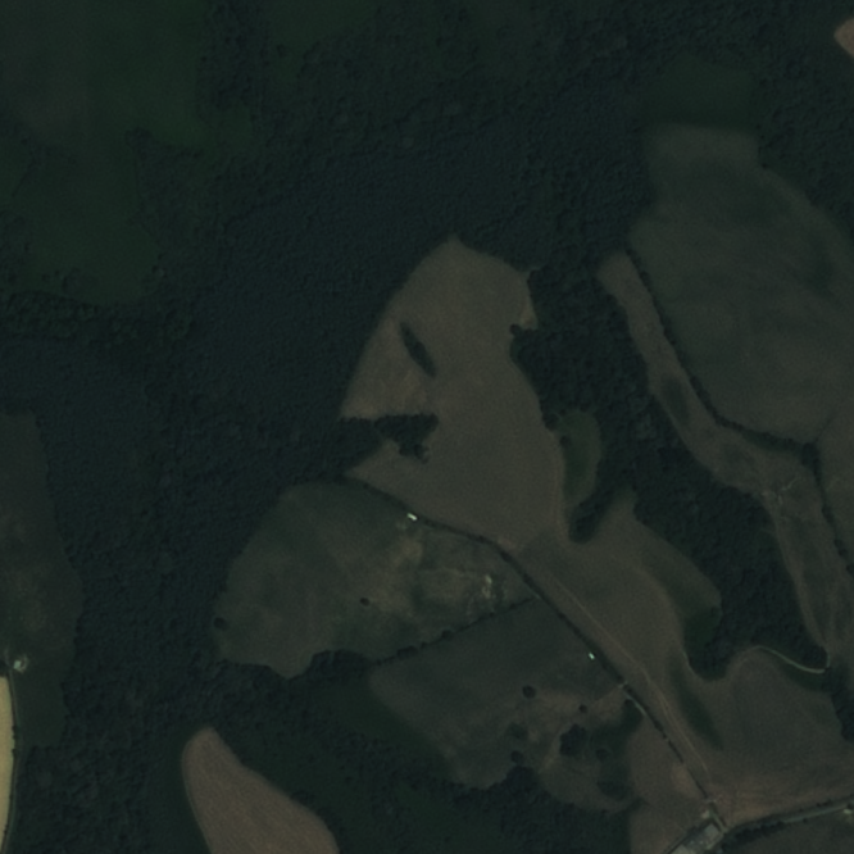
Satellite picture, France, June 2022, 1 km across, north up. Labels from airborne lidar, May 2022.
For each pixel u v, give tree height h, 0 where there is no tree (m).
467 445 0
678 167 0
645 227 0
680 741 0
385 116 8
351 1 0
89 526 18
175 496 22
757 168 0
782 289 0
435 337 0
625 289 0
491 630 0
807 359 0
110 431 21
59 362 20
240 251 16
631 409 16
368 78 9
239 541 11
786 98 6
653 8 18
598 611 0
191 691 18
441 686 0
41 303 14
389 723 0
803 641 11
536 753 0
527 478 0
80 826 16
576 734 18
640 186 11
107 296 0
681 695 0
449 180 16
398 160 15
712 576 12
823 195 6
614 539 0
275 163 8
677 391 0
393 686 0
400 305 0
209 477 14
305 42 0
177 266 7
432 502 0
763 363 0
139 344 20
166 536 10
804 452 8
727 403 0
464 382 0
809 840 0
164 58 0
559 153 12
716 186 0
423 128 10
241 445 15
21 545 0
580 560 0
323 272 18
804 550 0
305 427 18
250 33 7
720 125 0
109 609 17
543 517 0
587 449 0
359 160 16
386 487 0
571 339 21
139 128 6
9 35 0
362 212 16
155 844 6
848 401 0
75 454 20
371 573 0
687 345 0
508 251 12
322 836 0
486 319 0
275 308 15
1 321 21
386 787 13
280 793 0
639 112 0
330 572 0
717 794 0
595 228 15
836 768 0
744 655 0
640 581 0
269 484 15
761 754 0
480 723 0
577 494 0
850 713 7
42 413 12
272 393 19
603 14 8
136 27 0
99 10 0
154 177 9
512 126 21
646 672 0
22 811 7
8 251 6
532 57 7
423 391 0
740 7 17
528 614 0
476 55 8
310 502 0
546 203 9
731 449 0
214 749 0
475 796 14
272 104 10
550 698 0
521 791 19
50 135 0
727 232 0
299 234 16
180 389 9
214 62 7
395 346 0
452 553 0
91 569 17
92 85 0
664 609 0
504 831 8
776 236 0
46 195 0
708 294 0
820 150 10
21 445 0
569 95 18
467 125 14
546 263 11
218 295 16
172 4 0
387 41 9
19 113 0
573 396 7
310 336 14
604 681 0
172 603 21
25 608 0
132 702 21
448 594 0
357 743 16
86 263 0
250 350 15
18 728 9
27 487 0
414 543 0
